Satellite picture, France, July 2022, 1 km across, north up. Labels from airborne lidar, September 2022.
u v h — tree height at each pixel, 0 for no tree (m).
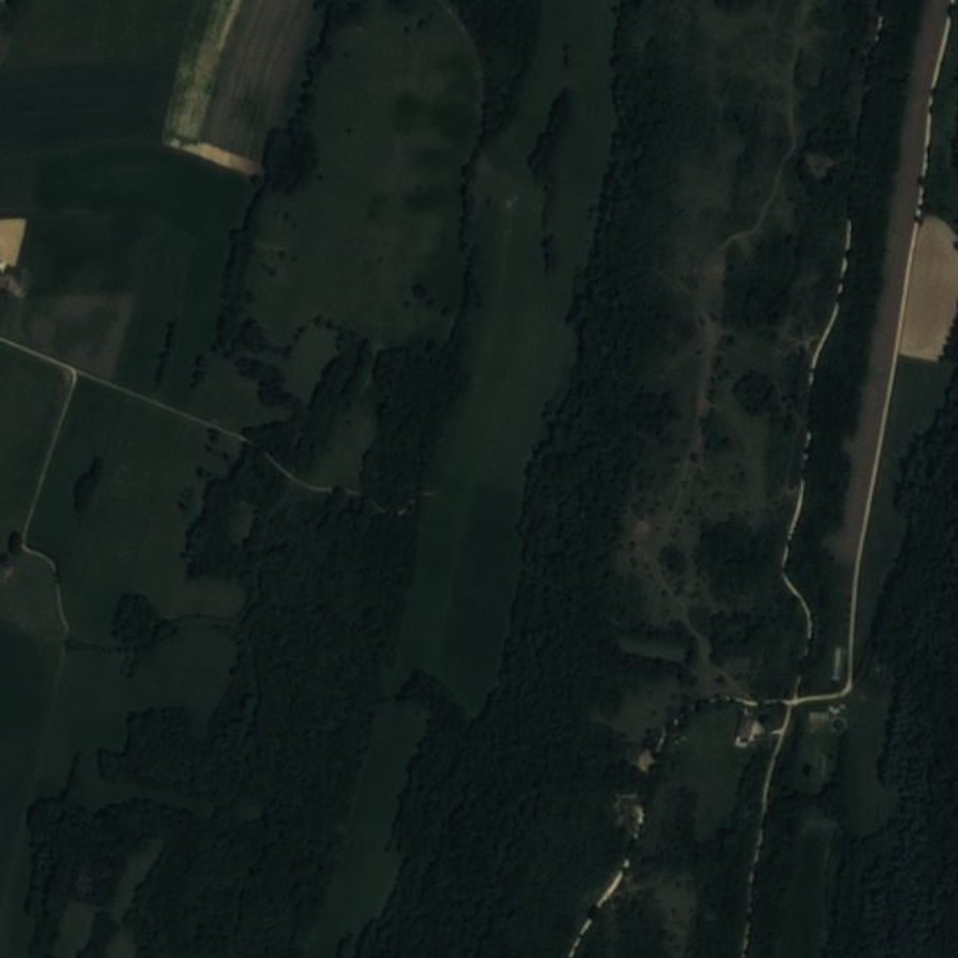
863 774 0
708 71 0
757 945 15
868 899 10
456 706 16
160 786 15
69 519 0
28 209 0
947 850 19
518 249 0
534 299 0
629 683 6
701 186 0
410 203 0
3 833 0
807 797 9
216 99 0
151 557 0
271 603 12
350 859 0
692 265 0
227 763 14
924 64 0
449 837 15
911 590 20
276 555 15
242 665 12
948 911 17
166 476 0
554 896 6
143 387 0
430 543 0
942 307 0
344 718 15
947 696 16
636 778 15
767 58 0
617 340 18
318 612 8
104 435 0
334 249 0
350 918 0
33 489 0
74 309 0
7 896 0
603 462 16
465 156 0
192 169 0
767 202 0
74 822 25
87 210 0
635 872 6
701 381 0
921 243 0
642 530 0
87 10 0
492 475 0
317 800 18
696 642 12
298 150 16
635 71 13
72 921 0
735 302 7
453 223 0
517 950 10
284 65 0
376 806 0
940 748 18
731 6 9
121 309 0
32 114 0
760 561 7
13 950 0
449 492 0
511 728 20
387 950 11
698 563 6
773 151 0
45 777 0
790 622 6
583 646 20
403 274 0
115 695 0
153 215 0
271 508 7
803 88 7
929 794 9
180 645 0
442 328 0
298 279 0
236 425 0
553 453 14
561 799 8
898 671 14
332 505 14
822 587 7
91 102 0
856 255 14
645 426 17
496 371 0
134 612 15
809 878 0
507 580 0
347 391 12
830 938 6
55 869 21
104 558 0
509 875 19
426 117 0
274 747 10
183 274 0
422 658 0
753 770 9
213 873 8
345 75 0
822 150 14
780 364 0
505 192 0
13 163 0
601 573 16
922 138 0
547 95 0
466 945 11
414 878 11
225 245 0
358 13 17
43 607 0
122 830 18
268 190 16
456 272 0
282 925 5
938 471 30
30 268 0
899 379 0
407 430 15
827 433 15
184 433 0
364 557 11
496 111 12
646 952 7
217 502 18
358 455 0
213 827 13
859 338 6
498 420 0
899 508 13
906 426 0
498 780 21
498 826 19
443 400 17
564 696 20
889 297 0
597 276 15
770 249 7
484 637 0
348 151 0
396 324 0
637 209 8
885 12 14
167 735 15
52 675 0
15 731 0
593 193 0
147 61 0
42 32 0
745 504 0
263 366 18
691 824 7
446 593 0
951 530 16
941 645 18
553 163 9
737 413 0
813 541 18
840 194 12
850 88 7
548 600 13
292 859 8
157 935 11
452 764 13
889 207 14
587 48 0
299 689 14
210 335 0
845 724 0
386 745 0
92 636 0
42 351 0
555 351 0
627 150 17
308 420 14
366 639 11
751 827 13
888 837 9
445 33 0
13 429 0
